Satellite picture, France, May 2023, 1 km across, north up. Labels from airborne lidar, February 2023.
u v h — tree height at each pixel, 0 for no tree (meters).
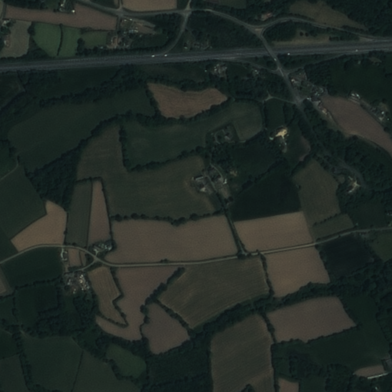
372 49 0
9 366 0
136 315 0
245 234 0
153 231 0
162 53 0
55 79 19
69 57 0
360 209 0
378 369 0
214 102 0
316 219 0
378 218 0
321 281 0
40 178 23
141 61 0
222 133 0
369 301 0
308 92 0
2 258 0
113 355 0
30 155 0
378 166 5
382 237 0
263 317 8
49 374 0
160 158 0
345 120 0
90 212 0
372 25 6
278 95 11
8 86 0
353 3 19
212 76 14
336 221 0
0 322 9
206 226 0
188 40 0
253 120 0
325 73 15
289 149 0
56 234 0
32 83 22
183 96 0
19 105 21
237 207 0
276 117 0
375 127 0
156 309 0
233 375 0
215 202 0
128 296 0
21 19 0
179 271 14
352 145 8
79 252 0
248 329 0
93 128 0
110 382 0
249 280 0
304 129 11
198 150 15
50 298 0
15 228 0
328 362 0
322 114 0
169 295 0
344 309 11
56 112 0
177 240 0
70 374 0
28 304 0
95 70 0
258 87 27
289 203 0
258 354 0
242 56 0
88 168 0
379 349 0
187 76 0
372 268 16
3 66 0
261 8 14
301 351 0
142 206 0
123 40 12
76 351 0
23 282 0
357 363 0
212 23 12
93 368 0
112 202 0
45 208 0
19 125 0
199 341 21
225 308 0
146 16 0
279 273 0
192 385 19
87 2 0
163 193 0
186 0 0
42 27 0
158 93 0
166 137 0
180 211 0
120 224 0
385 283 21
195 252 0
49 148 0
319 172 0
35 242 0
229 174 12
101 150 0
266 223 0
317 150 16
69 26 0
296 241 0
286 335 0
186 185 0
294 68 0
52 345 0
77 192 0
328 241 0
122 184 0
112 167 0
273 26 6
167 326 0
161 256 0
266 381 0
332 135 23
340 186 9
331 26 0
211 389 10
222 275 0
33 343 0
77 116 0
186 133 0
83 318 11
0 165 0
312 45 0
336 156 11
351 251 0
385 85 0
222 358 0
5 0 14
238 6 0
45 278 0
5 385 0
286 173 7
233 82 10
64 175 21
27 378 9
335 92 11
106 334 9
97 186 0
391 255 0
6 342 0
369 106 0
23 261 0
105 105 0
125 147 8
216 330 15
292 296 11
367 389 0
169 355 11
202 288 0
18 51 0
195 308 0
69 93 0
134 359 0
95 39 0
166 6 0
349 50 0
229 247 0
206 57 0
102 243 0
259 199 0
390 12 9
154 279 0
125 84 16
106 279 0
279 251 0
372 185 9
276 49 0
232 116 0
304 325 0
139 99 0
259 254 8
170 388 22
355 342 0
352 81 0
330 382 15
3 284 0
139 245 0
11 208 0
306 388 0
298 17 8
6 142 9
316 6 0
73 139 0
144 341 14
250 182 11
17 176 0
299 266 0
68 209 16
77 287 14
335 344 0
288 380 8
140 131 0
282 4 12
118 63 0
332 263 0
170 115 0
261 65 0
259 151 0
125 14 0
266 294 0
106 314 0
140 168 13
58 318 20
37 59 15
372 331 0
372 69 0
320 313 0
